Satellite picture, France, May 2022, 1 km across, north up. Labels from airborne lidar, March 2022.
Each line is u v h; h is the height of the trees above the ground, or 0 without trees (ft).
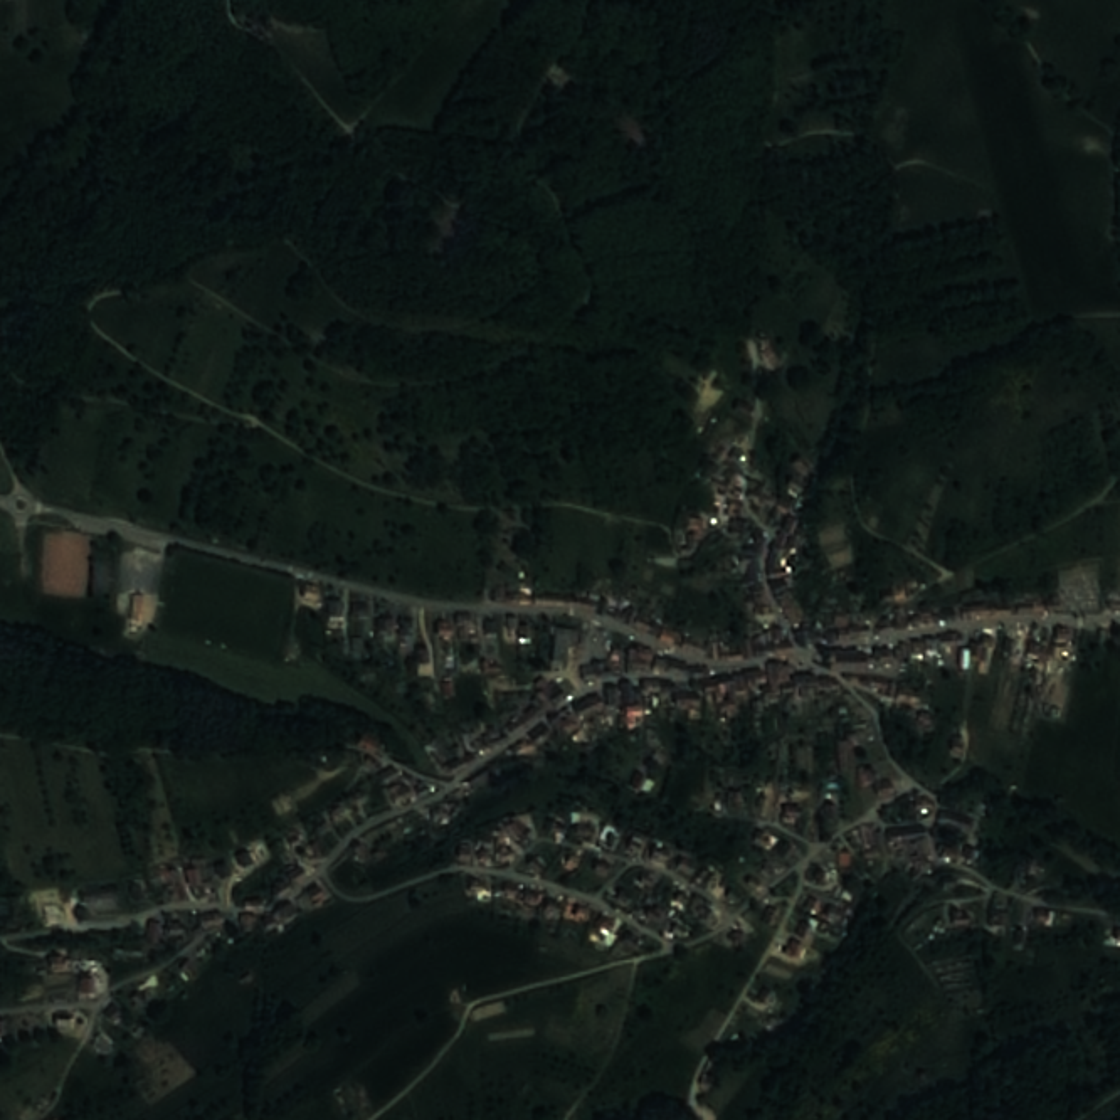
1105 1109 0
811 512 26
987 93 0
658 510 0
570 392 26
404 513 0
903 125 0
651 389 60
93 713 69
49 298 29
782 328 0
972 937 24
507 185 74
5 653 84
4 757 0
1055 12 0
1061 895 42
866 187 41
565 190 73
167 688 75
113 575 0
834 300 0
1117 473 35
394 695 0
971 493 0
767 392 88
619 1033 0
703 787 0
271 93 75
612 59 84
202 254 38
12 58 0
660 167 71
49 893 0
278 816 0
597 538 0
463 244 56
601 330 56
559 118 68
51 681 83
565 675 0
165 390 40
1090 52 0
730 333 52
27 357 47
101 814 0
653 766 25
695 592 0
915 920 0
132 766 36
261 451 0
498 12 0
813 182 62
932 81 0
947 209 0
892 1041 0
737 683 0
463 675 0
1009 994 0
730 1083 0
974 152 0
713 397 0
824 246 57
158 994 0
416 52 30
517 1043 0
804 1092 36
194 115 64
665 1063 0
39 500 0
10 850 0
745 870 0
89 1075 0
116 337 0
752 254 53
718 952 0
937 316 43
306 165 76
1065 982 0
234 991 0
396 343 32
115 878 0
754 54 0
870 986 0
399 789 0
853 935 40
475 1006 0
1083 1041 26
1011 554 0
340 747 54
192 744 75
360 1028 0
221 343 0
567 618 0
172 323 0
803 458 22
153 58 53
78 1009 0
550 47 75
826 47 0
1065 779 0
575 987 0
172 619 0
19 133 0
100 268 32
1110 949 0
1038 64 19
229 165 59
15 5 0
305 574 0
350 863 0
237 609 0
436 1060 0
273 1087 0
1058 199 0
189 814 0
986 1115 77
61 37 0
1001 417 0
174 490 0
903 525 0
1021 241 0
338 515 0
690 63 73
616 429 34
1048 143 0
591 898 0
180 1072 0
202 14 33
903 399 22
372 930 0
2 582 0
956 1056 0
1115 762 0
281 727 69
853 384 55
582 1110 0
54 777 0
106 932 0
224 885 0
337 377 0
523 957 0
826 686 31
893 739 50
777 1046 78
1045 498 39
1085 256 0
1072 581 0
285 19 45
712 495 0
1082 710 0
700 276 71
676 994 0
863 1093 33
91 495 0
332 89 0
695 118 53
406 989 0
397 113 0
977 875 0
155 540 0
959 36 0
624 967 0
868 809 0
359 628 0
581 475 0
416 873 0
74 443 0
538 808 0
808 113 29
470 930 0
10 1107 0
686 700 0
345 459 32
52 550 0
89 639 0
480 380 36
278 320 0
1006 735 0
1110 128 0
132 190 66
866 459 0
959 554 23
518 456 25
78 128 71
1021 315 47
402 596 0
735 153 49
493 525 44
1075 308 0
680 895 27
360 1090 0
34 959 0
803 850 0
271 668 0
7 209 70
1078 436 28
